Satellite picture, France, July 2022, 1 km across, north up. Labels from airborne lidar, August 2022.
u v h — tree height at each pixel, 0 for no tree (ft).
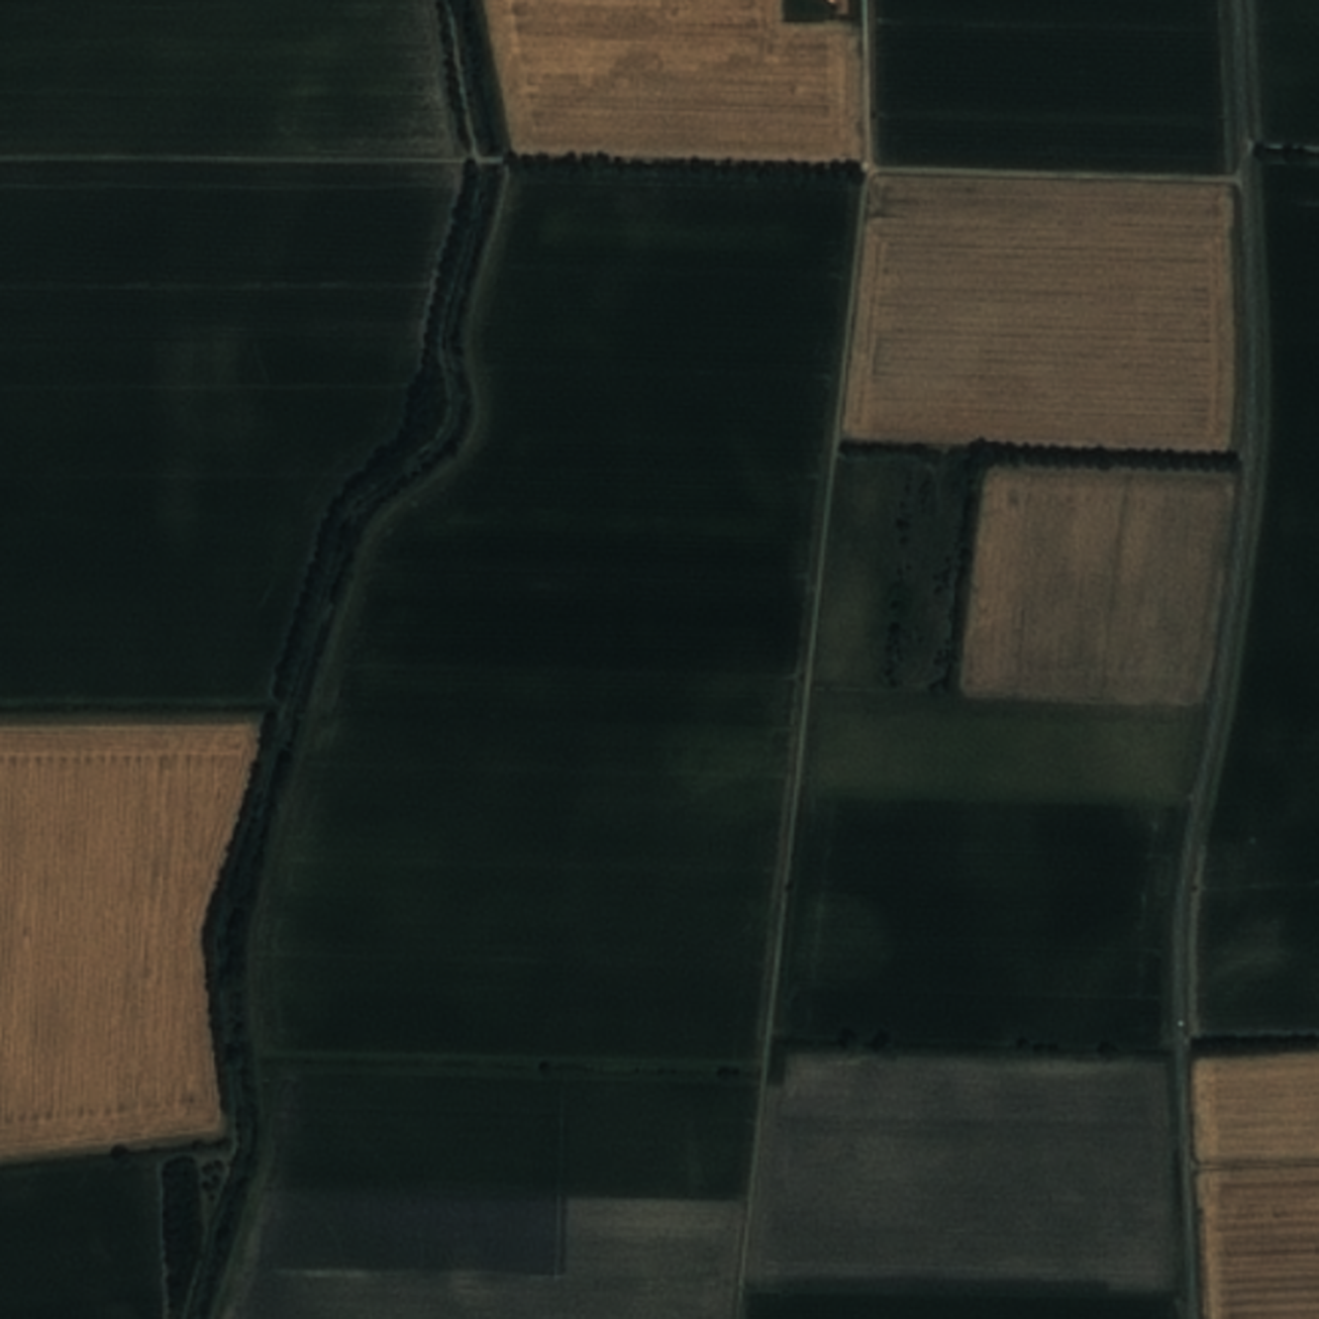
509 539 0
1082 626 0
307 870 0
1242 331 0
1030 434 0
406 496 0
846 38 0
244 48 0
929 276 0
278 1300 0
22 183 0
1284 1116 0
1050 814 0
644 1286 0
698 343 0
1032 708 0
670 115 0
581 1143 0
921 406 0
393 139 0
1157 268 0
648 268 0
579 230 0
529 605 0
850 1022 0
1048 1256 0
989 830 0
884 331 0
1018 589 0
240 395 0
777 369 0
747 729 0
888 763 0
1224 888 0
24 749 0
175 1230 42
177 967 0
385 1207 0
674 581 0
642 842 0
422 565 0
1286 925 0
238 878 42
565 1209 0
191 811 0
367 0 0
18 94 0
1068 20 0
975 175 0
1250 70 0
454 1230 0
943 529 0
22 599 0
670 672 0
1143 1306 0
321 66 0
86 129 0
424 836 0
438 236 0
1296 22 0
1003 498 0
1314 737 0
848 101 0
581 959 0
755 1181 0
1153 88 0
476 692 0
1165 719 0
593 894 0
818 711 0
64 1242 0
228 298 0
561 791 0
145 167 0
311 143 0
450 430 0
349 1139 0
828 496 0
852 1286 0
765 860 0
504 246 0
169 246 0
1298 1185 0
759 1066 0
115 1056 0
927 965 0
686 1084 0
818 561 0
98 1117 0
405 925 0
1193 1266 0
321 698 0
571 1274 0
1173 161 0
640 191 0
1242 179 0
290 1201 0
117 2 0
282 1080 0
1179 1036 0
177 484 0
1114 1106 0
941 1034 0
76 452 0
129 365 0
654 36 0
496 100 0
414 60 0
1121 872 0
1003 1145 0
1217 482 0
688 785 0
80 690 0
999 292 0
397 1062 0
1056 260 0
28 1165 0
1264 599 0
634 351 0
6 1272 0
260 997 0
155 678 0
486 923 0
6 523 0
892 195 0
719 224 0
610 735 0
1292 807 0
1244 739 0
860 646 0
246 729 0
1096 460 38
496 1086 0
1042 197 0
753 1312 0
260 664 0
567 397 0
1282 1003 0
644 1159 0
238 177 0
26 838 0
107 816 0
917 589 0
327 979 0
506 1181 0
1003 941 0
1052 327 0
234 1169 25
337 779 0
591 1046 0
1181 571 0
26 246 0
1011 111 0
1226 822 0
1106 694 0
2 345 0
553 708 0
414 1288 0
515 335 0
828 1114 0
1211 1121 0
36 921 0
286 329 0
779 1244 0
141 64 0
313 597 28
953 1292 0
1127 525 0
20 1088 0
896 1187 0
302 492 0
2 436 0
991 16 0
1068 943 0
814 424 0
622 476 0
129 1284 0
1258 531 0
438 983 0
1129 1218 0
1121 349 0
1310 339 0
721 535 0
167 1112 0
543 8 0
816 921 0
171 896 0
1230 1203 0
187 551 0
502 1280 0
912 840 0
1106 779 0
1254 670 0
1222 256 0
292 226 0
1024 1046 35
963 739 0
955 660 33
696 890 0
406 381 0
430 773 0
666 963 0
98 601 0
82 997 0
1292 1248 0
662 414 0
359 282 0
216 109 0
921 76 0
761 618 0
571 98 0
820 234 0
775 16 0
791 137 0
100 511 0
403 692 0
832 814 0
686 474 0
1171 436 0
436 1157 0
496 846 0
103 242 0
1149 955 0
